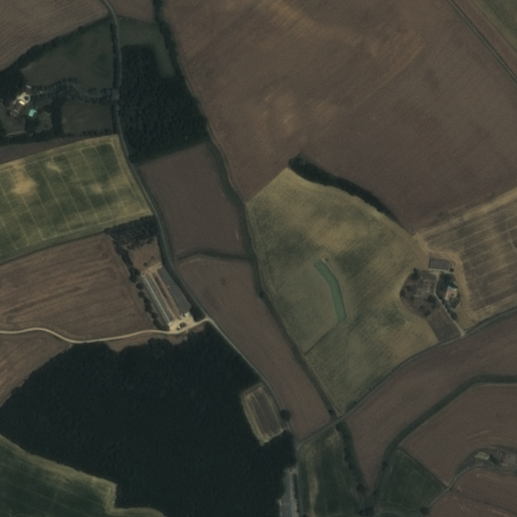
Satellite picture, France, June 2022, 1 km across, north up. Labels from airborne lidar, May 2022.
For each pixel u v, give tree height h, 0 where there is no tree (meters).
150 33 0
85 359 7
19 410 16
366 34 0
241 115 0
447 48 0
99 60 0
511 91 0
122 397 15
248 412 0
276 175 0
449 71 0
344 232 0
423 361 0
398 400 0
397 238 0
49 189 0
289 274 0
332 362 0
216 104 0
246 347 0
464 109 0
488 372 0
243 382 9
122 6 0
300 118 0
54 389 16
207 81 0
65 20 0
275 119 0
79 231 0
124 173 0
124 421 14
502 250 0
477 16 0
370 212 0
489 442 0
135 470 14
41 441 16
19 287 0
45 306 0
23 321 0
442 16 0
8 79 18
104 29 0
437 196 0
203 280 0
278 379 0
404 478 0
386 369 0
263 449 16
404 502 0
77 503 0
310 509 0
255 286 0
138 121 17
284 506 0
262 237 0
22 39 0
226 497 19
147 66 12
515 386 0
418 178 0
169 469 15
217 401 17
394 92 0
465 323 0
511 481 0
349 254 0
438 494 0
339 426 10
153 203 0
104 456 16
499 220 0
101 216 0
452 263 0
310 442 0
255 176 0
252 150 0
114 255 0
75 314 0
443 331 0
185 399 13
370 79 0
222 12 0
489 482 0
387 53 0
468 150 0
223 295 0
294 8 0
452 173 0
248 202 0
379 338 0
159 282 0
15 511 0
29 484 0
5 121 0
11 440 11
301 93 0
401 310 0
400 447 0
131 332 0
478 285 0
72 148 0
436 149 0
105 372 14
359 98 0
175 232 0
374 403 0
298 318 0
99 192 0
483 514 0
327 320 0
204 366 22
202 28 0
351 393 0
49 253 0
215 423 17
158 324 12
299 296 0
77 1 0
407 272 0
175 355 16
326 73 0
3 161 0
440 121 0
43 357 0
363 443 0
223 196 0
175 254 0
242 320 0
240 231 0
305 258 0
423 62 0
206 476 18
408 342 0
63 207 0
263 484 20
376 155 0
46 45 12
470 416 0
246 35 0
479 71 0
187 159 0
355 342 0
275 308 0
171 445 14
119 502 9
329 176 9
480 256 0
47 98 11
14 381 0
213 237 0
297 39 0
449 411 0
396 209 0
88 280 0
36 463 0
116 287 0
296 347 0
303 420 0
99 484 0
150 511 0
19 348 0
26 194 0
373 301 0
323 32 0
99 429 17
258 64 0
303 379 0
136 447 16
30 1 0
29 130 16
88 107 0
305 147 0
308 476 0
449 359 0
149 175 0
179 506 17
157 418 17
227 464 16
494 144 0
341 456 0
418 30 0
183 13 0
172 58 12
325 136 0
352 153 0
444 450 0
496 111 0
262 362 0
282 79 0
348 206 0
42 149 0
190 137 11
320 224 0
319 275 0
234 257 0
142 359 8
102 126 0
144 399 14
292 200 0
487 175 0
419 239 0
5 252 0
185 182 0
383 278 0
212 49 0
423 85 0
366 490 11
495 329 0
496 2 0
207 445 17
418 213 0
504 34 0
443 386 0
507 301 0
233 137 0
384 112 0
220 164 0
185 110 12
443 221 0
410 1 0
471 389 0
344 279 0
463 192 0
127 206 0
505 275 0
